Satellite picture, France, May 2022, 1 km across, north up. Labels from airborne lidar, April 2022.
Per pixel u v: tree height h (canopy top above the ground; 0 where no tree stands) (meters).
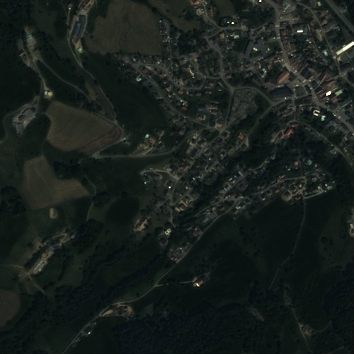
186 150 0
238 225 0
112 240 0
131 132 0
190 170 6
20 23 26
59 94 0
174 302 0
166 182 0
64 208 0
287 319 22
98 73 0
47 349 0
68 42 0
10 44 15
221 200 0
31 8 29
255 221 0
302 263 0
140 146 0
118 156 0
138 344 27
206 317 19
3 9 24
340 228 0
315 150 7
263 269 0
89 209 0
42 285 0
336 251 0
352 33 15
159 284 0
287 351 0
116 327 0
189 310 0
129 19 0
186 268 0
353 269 25
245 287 0
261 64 0
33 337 26
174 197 0
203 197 14
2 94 0
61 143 0
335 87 0
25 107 0
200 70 0
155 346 32
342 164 16
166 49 0
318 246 0
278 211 0
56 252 11
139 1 19
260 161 0
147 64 0
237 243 0
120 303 0
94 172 0
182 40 19
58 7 0
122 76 0
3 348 26
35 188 0
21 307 0
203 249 0
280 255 0
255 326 22
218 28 0
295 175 0
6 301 0
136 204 0
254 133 0
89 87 0
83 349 0
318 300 0
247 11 0
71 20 0
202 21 10
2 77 0
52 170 0
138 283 23
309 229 0
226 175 6
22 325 23
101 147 0
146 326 27
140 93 0
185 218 12
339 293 24
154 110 0
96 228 8
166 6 0
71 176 12
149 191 0
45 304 25
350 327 23
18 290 0
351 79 20
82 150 0
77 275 0
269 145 7
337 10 0
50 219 0
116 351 0
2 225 0
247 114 0
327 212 0
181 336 26
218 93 0
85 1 0
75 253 0
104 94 0
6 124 0
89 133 0
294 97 0
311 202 0
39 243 0
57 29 0
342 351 0
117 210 0
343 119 0
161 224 0
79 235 11
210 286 0
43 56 0
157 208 0
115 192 0
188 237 7
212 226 0
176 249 0
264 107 0
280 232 0
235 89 0
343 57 0
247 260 0
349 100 0
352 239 0
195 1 0
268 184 6
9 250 0
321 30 0
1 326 0
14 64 8
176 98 0
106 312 0
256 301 23
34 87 0
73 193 0
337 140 0
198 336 22
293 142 12
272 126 8
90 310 0
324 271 0
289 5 0
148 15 0
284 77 0
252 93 0
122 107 0
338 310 16
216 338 23
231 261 0
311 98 0
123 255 10
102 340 0
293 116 0
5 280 0
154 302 0
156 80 0
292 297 0
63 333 0
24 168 0
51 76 0
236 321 18
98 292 0
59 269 0
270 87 0
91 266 9
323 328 0
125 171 0
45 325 25
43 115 0
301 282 0
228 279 0
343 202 12
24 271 0
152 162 0
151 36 0
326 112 9
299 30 0
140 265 0
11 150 0
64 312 25
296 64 0
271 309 31
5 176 0
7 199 14
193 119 0
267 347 0
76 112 0
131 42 0
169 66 0
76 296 25
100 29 0
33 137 0
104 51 0
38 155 7
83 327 0
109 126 0
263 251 0
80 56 0
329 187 0
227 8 0
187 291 0
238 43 0
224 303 0
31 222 0
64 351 0
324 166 8
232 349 0
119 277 0
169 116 0
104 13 0
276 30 0
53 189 0
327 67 6
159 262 22
